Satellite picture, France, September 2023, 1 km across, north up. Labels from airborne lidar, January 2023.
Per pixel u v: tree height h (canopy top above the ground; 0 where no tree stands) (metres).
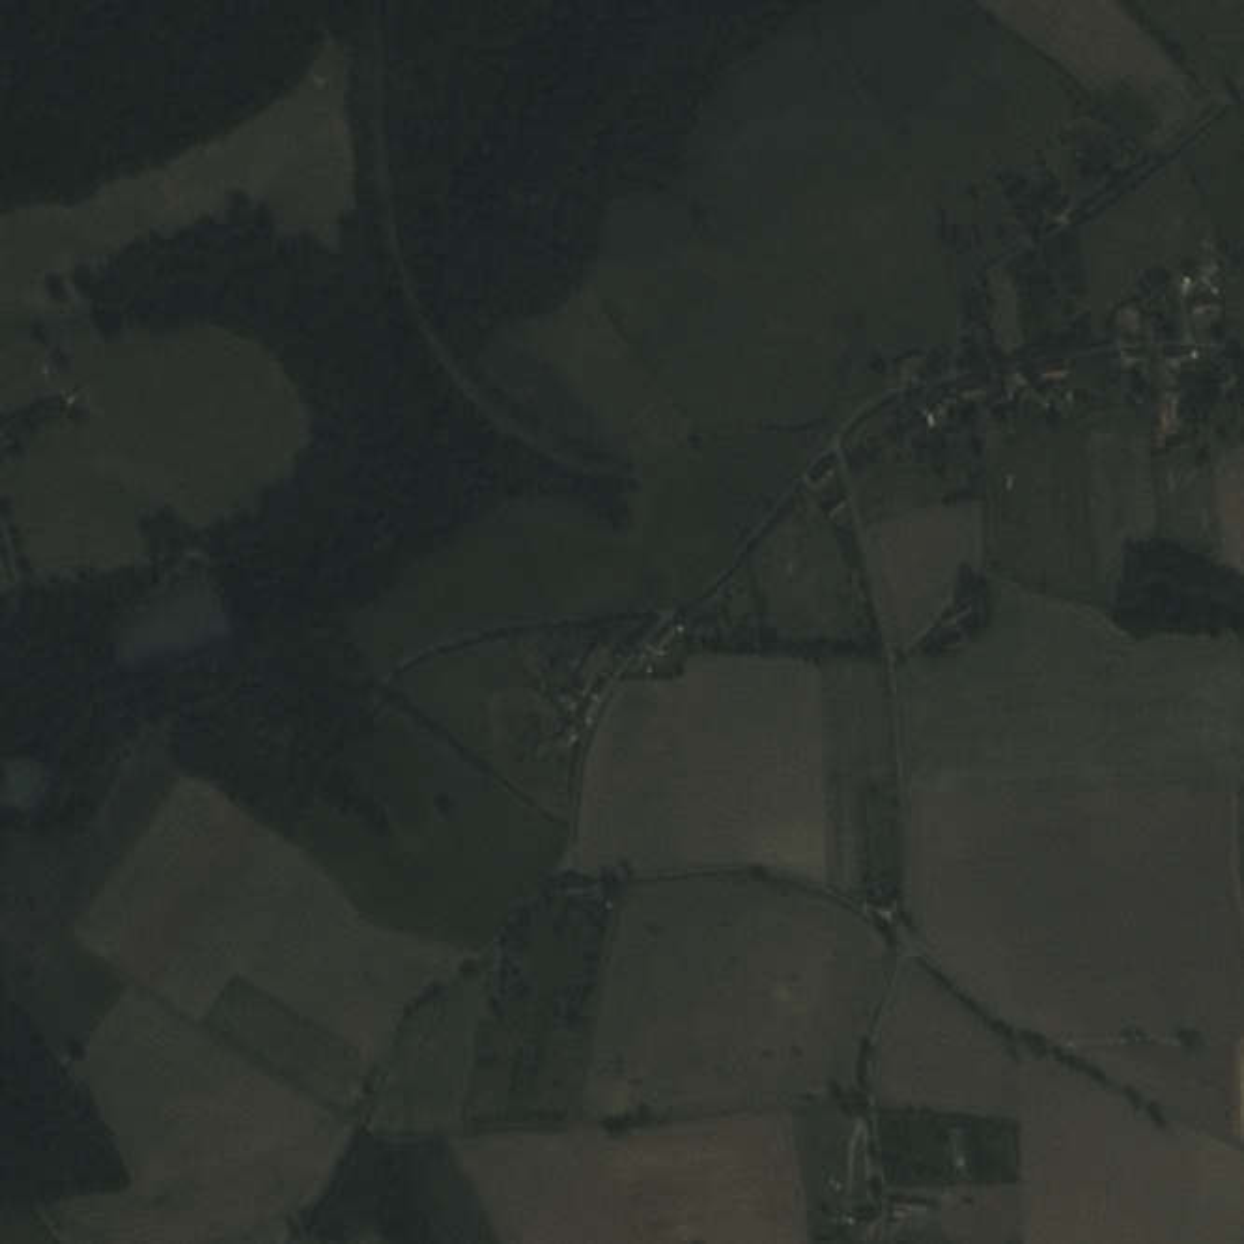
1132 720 0
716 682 0
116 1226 0
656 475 0
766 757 0
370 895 0
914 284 0
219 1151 0
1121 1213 0
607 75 21
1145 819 0
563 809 0
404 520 22
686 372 0
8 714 27
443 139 26
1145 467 0
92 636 25
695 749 0
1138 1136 0
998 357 15
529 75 9
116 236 0
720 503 0
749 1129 0
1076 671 0
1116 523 0
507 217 23
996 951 0
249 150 0
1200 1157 0
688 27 20
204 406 0
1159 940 0
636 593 0
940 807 0
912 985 0
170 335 0
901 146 0
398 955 0
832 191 0
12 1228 0
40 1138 20
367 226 20
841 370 0
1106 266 0
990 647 0
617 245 0
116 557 0
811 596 0
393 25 13
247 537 20
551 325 0
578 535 0
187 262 15
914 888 0
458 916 0
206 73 21
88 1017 0
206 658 18
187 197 0
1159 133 0
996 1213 0
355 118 15
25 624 18
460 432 12
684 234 0
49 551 0
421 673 0
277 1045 0
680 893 0
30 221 0
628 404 0
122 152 22
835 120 0
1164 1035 0
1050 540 0
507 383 0
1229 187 0
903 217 0
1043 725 0
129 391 0
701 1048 0
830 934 0
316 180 0
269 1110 0
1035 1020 0
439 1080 0
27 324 0
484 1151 0
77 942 0
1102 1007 0
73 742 22
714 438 0
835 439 0
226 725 18
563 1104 0
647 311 0
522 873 0
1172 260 0
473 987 0
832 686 0
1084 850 0
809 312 0
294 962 0
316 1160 0
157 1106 0
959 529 0
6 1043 17
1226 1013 0
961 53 0
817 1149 0
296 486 14
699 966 0
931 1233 0
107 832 0
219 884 0
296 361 18
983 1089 0
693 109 7
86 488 0
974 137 0
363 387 25
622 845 0
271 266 22
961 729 0
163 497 0
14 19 20
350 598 9
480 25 18
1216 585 15
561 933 12
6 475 0
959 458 0
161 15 20
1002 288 0
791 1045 0
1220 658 0
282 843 0
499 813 0
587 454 10
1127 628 12
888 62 0
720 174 0
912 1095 0
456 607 0
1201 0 0
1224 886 0
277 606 21
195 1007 0
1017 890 0
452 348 14
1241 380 7
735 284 0
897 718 0
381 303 24
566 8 25
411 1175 0
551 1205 0
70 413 8
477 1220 0
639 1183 0
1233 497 0
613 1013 0
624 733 0
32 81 25
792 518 0
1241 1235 0
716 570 0
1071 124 0
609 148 20
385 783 0
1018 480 0
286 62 23
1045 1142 0
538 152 17
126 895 0
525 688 0
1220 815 0
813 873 0
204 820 0
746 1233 0
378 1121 0
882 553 0
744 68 0
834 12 0
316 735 16
